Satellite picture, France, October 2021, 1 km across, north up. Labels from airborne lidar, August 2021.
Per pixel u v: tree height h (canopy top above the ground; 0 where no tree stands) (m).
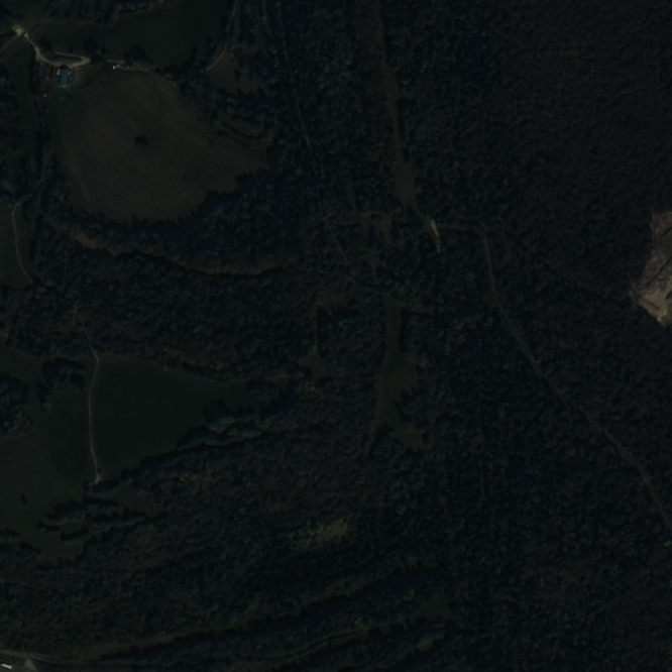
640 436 22
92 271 15
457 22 10
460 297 15
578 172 15
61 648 18
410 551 33
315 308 10
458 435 27
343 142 20
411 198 0
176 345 12
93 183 0
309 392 14
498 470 16
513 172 20
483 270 16
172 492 14
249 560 16
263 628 0
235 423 6
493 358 10
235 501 13
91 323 8
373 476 13
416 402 14
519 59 14
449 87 13
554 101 13
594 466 18
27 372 0
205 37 0
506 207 21
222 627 14
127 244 17
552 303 16
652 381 16
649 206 21
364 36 20
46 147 18
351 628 25
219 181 0
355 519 15
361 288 12
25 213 15
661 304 0
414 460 16
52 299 11
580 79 14
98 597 12
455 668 12
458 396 18
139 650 0
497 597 19
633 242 21
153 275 10
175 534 12
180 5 0
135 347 10
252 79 19
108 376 0
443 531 23
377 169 22
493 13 20
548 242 17
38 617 15
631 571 21
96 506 7
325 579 14
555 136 14
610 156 16
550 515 6
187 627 22
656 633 24
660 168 15
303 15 18
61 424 0
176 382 0
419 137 19
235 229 14
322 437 14
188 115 0
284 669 0
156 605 18
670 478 17
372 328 10
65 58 0
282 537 22
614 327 15
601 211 17
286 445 13
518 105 10
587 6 14
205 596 14
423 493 16
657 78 13
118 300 8
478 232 15
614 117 12
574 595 9
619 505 25
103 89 0
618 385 17
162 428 0
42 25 0
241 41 6
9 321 0
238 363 16
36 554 7
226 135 7
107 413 0
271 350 12
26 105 0
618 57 14
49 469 0
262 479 14
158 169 0
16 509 0
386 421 0
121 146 0
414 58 11
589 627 17
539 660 14
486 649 23
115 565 11
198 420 0
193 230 10
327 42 20
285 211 26
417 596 26
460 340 16
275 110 13
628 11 16
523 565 24
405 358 19
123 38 0
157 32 0
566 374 19
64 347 12
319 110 24
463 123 16
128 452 0
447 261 13
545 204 18
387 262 7
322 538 21
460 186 9
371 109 23
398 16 28
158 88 0
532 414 29
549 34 15
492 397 29
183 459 11
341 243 13
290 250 28
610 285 15
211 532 9
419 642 24
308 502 9
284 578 21
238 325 16
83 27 0
